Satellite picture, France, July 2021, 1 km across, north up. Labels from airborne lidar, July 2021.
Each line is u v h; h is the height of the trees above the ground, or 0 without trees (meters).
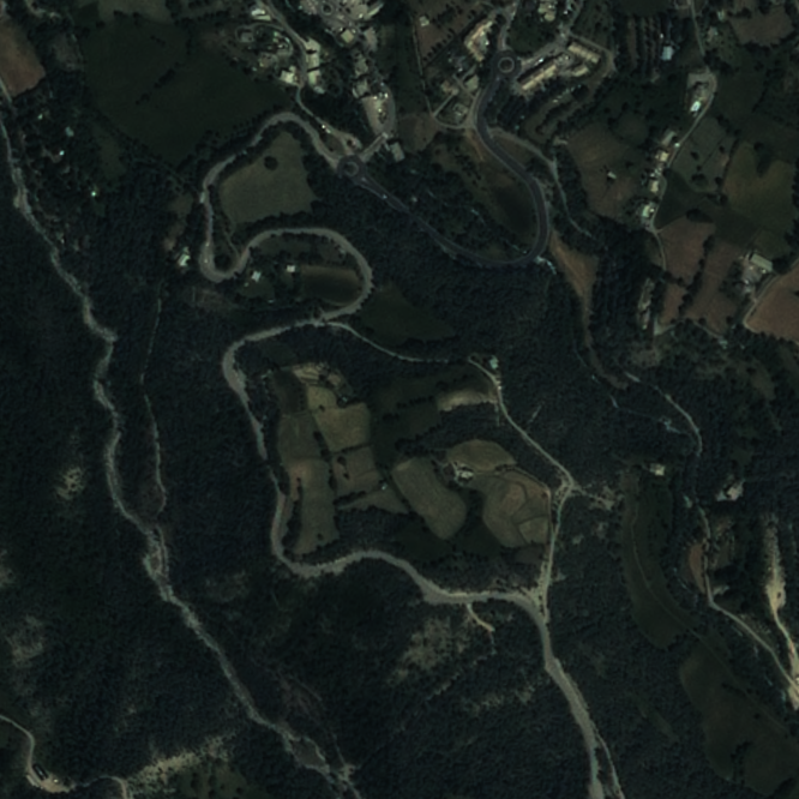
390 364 9
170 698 15
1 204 13
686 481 10
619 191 0
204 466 6
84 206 14
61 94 19
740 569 14
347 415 0
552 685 10
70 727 18
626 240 16
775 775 0
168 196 9
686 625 0
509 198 0
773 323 0
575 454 8
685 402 12
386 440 0
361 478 0
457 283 11
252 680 12
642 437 11
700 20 8
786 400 15
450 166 0
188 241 12
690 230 0
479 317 18
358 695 9
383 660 8
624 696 11
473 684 11
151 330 6
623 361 12
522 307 8
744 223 0
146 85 0
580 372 10
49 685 19
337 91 17
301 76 0
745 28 0
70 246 9
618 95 0
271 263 9
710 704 0
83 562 12
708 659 0
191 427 6
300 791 13
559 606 8
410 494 0
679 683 10
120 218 14
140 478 15
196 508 13
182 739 6
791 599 11
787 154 0
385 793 8
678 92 0
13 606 10
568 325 13
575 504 6
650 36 11
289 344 15
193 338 10
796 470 12
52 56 6
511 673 9
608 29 9
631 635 12
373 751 9
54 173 10
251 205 0
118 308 15
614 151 0
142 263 8
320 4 0
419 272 16
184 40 0
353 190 25
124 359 14
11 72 0
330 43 16
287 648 13
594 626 11
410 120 0
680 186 0
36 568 12
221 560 9
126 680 11
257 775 17
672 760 16
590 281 0
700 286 11
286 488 12
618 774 7
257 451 6
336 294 0
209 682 18
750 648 7
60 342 13
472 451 0
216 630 13
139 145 10
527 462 7
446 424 8
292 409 0
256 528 7
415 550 0
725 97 0
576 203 11
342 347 17
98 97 0
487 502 0
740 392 7
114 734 14
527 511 0
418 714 17
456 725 11
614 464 9
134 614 16
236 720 12
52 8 15
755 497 13
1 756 16
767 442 10
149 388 7
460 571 7
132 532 13
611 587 9
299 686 11
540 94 9
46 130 11
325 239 8
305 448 0
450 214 18
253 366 11
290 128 10
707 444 14
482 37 0
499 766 8
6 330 21
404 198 22
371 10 0
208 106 0
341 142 0
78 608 8
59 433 11
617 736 15
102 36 0
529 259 0
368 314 0
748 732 0
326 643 11
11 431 12
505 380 8
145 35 0
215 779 8
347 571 11
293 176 0
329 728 13
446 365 9
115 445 0
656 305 16
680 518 13
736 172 0
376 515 10
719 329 0
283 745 22
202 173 12
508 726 8
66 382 19
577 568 9
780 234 0
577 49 0
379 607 8
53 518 11
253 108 0
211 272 0
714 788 15
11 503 8
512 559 6
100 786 9
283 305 7
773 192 0
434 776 19
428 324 0
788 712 13
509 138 0
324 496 0
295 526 16
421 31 0
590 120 7
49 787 0
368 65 7
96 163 7
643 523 0
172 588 15
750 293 0
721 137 0
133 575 18
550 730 11
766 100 6
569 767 12
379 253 12
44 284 12
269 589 9
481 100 0
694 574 0
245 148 8
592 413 13
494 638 12
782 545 15
